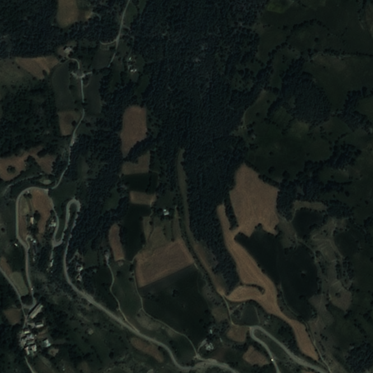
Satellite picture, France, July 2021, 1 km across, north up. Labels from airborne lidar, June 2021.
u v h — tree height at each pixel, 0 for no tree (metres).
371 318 11
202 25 11
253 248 0
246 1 9
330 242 0
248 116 0
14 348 16
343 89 0
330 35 6
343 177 0
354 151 9
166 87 24
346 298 0
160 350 12
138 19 15
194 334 0
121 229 12
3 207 0
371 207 0
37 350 6
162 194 7
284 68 0
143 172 0
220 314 0
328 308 11
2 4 13
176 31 17
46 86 9
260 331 0
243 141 23
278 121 0
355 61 0
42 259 9
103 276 0
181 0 21
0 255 0
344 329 0
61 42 7
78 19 0
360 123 12
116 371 0
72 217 7
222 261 11
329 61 0
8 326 13
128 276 0
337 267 13
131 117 0
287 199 13
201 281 0
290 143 0
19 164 0
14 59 0
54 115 9
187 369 0
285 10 0
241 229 0
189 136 15
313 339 0
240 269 0
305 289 0
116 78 0
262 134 0
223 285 0
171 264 0
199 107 23
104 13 11
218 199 19
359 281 0
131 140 0
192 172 17
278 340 0
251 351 0
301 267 0
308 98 19
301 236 0
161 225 0
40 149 0
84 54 7
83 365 0
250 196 0
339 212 15
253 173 0
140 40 20
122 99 19
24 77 0
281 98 21
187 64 8
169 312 0
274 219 0
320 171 18
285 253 9
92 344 0
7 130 6
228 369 0
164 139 16
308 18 0
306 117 8
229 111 19
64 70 0
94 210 9
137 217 0
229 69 14
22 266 0
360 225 8
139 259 0
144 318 0
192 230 9
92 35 10
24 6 14
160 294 0
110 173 7
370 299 0
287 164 0
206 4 25
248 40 14
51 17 9
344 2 0
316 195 17
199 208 13
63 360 0
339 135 0
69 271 7
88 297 0
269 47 0
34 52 13
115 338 0
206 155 17
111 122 7
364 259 0
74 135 0
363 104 0
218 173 19
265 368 8
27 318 0
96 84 0
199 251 0
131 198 0
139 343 0
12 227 0
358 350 14
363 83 0
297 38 0
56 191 0
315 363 11
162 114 19
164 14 12
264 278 0
